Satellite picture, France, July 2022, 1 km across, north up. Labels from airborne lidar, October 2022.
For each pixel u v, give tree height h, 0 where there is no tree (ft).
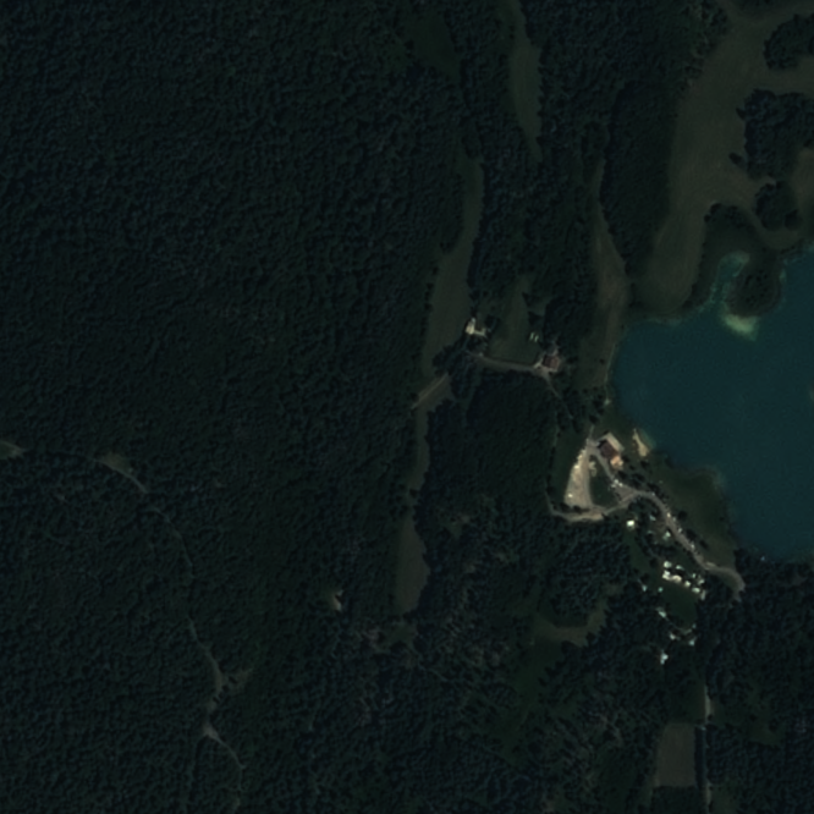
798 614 91
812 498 0
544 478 77
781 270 0
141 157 53
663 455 0
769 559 0
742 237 0
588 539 28
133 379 54
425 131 70
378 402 124
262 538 44
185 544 37
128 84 82
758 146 116
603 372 0
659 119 73
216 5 66
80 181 95
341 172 85
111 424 42
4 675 59
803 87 0
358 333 88
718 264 0
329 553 55
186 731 56
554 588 65
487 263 54
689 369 0
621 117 101
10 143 125
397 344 102
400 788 78
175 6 82
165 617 66
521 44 0
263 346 25
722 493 0
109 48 36
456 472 85
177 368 53
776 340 0
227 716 65
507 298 57
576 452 0
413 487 0
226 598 52
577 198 78
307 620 31
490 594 99
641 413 0
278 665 74
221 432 51
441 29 0
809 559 0
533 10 60
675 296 0
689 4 91
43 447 73
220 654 55
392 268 75
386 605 94
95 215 76
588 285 76
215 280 75
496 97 38
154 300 57
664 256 0
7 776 57
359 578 84
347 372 70
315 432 54
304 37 82
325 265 73
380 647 34
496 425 97
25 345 65
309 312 67
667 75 92
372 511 76
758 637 22
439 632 103
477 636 88
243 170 24
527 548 114
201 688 57
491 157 51
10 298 56
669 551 87
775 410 0
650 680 20
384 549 100
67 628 41
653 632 66
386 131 90
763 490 0
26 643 70
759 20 0
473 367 70
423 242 108
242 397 71
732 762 102
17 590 41
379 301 64
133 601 83
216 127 60
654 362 0
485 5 72
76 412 53
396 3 60
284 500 58
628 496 0
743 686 30
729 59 0
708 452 0
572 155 84
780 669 27
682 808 41
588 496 0
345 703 77
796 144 93
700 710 0
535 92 0
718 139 0
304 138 94
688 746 0
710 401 0
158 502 87
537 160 30
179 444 43
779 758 103
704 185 0
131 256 50
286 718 54
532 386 86
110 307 68
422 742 99
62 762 74
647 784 63
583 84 71
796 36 23
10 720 86
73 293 42
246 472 49
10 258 62
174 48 87
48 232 40
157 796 20
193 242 87
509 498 61
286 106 61
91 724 69
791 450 0
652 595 31
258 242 85
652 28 76
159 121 56
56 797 55
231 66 66
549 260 22
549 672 0
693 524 0
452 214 70
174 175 49
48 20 84
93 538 65
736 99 0
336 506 94
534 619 24
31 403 62
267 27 58
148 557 82
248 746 62
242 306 39
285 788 97
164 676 71
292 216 64
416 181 57
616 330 0
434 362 0
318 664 74
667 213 59
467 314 0
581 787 71
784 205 25
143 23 67
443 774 75
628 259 69
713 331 0
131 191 92
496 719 91
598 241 0
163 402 50
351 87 116
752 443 0
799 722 93
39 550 63
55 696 82
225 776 51
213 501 47
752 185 0
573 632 0
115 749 74
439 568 139
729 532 0
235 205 70
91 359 59
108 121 43
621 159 99
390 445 107
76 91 58
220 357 38
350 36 79
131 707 77
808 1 0
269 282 73
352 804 35
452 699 104
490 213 26
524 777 102
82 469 79
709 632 73
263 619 67
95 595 77
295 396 63
